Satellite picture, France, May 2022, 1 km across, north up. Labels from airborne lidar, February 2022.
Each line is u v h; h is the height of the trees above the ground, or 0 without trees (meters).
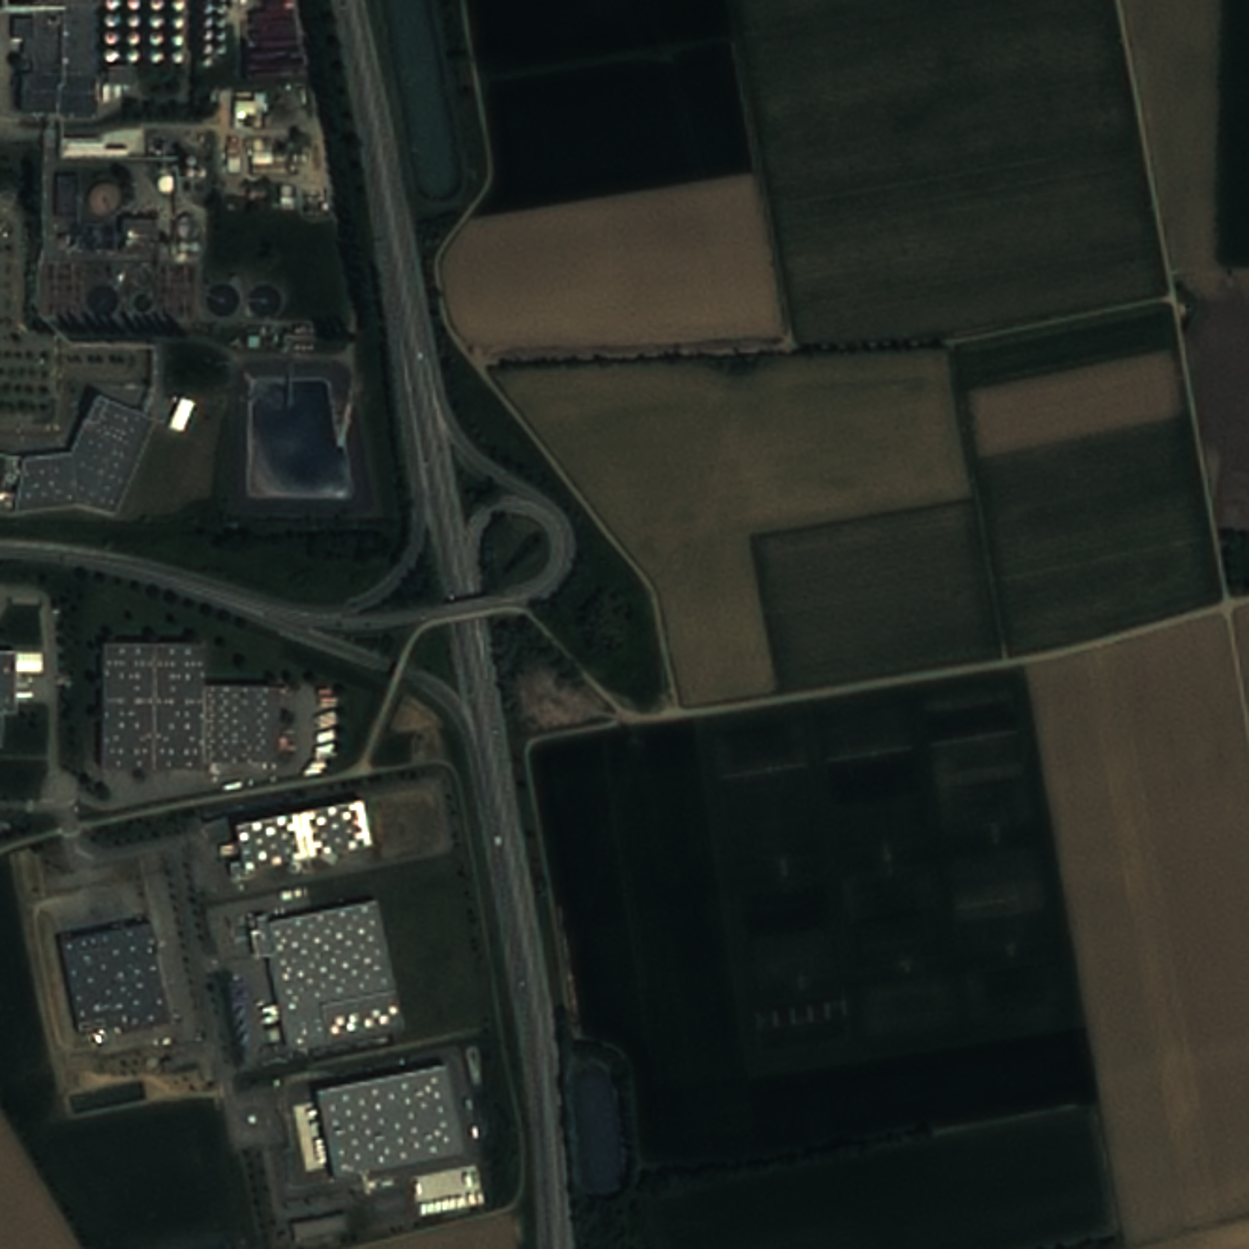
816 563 0
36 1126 0
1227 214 0
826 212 0
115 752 0
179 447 0
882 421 0
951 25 0
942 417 0
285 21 0
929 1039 0
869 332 0
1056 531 0
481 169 0
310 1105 0
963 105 0
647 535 0
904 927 0
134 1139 0
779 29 0
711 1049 0
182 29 0
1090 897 0
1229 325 0
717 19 0
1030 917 0
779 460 0
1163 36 0
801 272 0
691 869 0
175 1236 0
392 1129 0
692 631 0
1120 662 0
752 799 0
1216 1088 0
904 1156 0
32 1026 0
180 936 0
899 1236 0
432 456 0
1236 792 0
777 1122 0
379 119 0
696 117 0
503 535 0
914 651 0
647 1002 0
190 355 0
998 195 0
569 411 0
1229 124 0
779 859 0
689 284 0
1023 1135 0
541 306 0
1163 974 0
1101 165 0
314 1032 0
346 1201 0
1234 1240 0
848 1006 0
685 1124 0
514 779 0
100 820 0
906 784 0
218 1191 0
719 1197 0
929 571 0
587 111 0
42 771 0
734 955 0
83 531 0
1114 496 0
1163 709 0
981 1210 0
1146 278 0
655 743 0
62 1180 0
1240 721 0
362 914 0
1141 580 0
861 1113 0
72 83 0
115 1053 0
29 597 0
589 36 0
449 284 0
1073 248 0
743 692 0
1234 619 0
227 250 0
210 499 0
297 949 0
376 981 0
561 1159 0
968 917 0
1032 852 0
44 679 0
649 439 0
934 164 0
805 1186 0
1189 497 0
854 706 0
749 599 0
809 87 0
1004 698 0
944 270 0
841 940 0
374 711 0
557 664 17
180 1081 0
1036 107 0
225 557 0
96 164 0
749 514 0
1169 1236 0
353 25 0
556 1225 0
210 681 0
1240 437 0
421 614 0
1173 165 0
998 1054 0
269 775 0
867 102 0
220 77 0
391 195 0
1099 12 0
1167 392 0
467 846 0
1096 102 0
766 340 0
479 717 0
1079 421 0
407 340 0
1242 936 0
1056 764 0
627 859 0
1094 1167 0
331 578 0
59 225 0
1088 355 0
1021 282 0
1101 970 0
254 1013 0
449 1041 0
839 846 0
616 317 0
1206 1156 0
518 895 0
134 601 0
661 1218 0
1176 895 0
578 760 0
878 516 0
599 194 0
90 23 0
